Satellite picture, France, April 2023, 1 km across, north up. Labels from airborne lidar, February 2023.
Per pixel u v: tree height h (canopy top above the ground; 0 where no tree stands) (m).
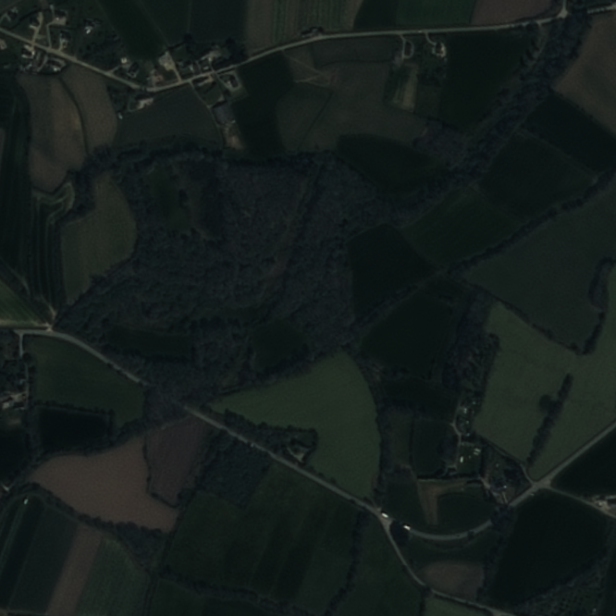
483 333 18
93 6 0
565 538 0
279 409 0
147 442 0
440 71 10
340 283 20
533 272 0
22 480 6
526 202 0
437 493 0
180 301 11
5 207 0
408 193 0
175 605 0
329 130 0
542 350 0
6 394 13
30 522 0
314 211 20
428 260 0
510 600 0
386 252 0
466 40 0
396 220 18
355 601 0
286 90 0
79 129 0
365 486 0
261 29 0
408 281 0
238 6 0
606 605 0
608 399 0
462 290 0
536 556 0
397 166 0
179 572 0
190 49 17
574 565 0
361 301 0
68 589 0
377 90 0
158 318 8
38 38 0
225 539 0
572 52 19
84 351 0
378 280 0
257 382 15
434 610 0
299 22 0
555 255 0
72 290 0
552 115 0
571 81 0
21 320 0
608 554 10
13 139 0
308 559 0
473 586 0
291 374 16
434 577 0
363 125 0
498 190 0
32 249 0
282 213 19
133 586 0
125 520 0
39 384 0
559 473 0
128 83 0
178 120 0
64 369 0
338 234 11
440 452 16
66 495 0
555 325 0
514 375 0
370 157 0
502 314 0
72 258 0
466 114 0
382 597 0
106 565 0
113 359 16
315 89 0
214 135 0
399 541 24
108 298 11
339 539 0
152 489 0
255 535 0
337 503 0
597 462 0
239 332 13
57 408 8
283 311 18
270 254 14
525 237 15
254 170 14
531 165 0
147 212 19
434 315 0
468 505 0
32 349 0
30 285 7
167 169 13
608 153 0
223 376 16
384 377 11
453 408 0
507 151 0
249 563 0
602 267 13
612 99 0
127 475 0
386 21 0
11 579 0
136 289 13
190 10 0
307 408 0
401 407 17
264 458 11
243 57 13
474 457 0
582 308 0
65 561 0
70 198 0
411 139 0
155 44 0
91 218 0
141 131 0
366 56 0
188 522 0
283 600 0
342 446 0
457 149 16
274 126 0
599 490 0
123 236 0
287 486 0
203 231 0
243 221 20
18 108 0
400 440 0
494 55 0
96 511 0
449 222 0
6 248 0
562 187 0
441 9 0
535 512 0
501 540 10
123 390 0
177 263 14
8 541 0
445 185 24
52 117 0
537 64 6
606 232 0
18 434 0
